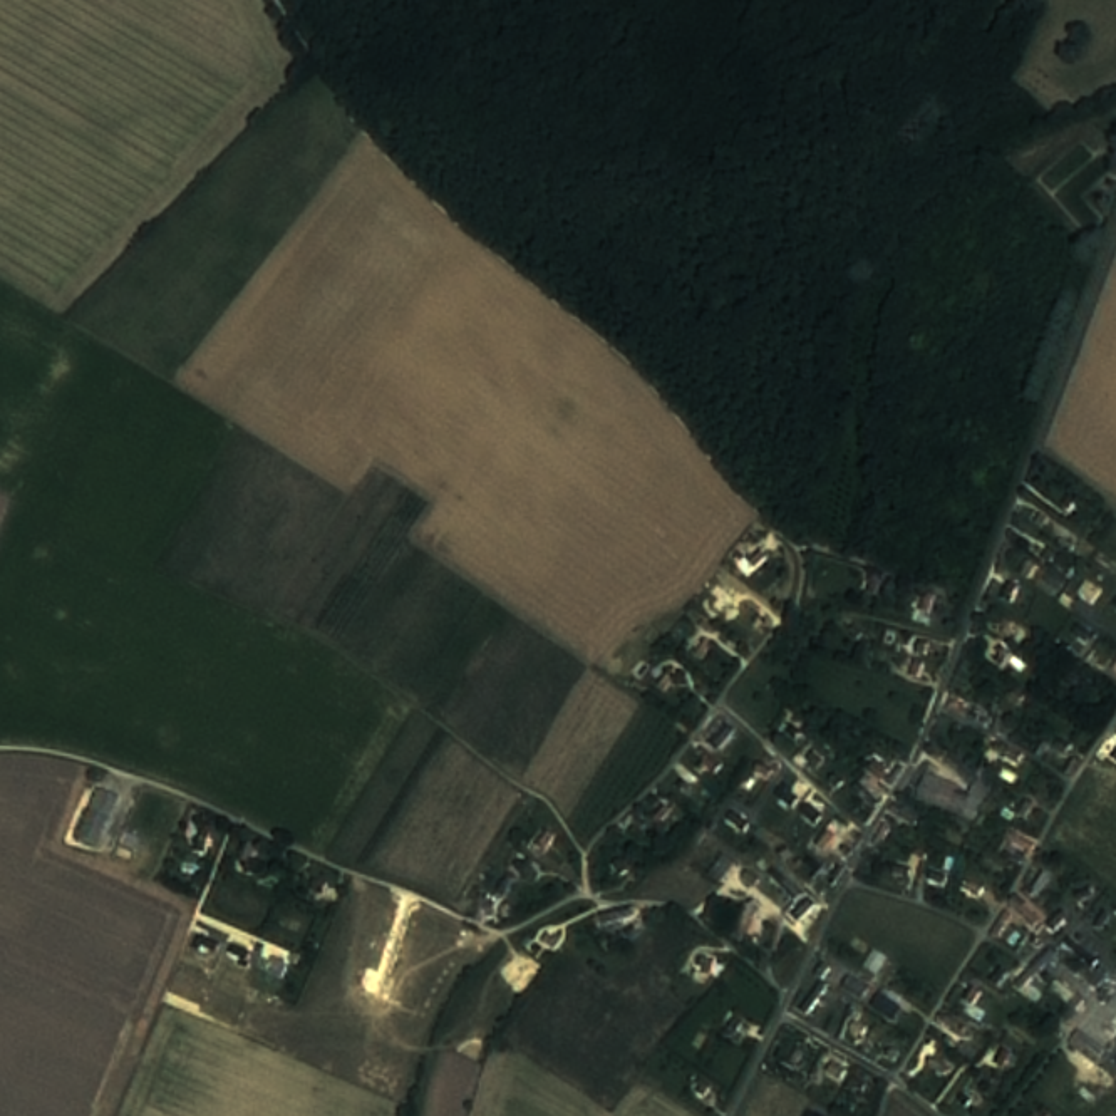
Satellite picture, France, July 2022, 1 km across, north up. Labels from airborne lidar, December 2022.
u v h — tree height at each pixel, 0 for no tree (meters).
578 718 0
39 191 0
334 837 0
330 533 0
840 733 14
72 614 0
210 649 0
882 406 16
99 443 0
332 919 7
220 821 10
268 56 0
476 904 0
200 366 0
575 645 0
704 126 16
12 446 0
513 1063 0
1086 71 0
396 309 0
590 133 24
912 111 23
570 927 0
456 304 0
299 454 0
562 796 0
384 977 0
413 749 0
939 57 21
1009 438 15
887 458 21
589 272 25
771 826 0
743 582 0
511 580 0
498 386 0
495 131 20
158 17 0
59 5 0
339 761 0
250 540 0
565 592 0
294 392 0
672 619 0
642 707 0
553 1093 0
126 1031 0
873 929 0
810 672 14
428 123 19
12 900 0
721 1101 6
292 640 0
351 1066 0
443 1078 0
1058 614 0
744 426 20
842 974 0
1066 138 0
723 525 0
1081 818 0
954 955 0
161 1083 0
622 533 0
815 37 13
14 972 0
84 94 0
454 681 0
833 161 23
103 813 0
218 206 0
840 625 14
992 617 9
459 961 0
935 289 14
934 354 14
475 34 14
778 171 24
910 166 27
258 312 0
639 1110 0
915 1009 0
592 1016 0
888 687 0
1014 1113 8
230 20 0
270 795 0
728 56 14
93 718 0
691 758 0
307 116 0
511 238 20
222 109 0
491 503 0
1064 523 11
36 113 0
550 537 0
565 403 0
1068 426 0
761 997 0
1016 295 11
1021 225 12
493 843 0
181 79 0
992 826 8
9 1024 0
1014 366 16
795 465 22
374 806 0
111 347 0
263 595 0
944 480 23
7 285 0
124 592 0
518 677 0
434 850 0
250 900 0
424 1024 0
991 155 20
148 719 0
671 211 23
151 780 0
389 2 22
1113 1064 0
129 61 0
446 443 0
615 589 0
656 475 0
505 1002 0
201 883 9
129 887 0
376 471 0
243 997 0
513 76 17
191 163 0
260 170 0
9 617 0
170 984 0
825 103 21
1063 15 0
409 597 0
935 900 6
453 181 17
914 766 0
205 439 0
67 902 0
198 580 0
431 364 0
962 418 18
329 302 0
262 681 0
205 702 0
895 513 23
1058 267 16
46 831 0
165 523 0
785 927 0
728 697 0
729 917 14
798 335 24
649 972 0
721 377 25
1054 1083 0
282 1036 0
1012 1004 0
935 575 16
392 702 0
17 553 0
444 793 0
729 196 24
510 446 0
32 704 0
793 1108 0
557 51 22
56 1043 0
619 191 24
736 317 24
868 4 13
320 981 0
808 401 24
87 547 0
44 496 0
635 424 0
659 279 26
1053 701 10
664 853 23
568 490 0
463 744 0
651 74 13
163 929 0
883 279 16
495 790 0
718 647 12
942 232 18
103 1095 0
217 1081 0
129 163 0
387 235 0
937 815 6
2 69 0
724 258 20
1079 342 0
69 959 0
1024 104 8
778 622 0
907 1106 0
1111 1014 0
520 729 0
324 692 0
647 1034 0
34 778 0
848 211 22
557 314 0
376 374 0
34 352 0
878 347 9
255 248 0
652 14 15
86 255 0
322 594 0
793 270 22
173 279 0
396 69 18
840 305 25
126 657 0
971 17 19
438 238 0
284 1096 0
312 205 0
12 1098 0
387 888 0
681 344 21
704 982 0
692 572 0
